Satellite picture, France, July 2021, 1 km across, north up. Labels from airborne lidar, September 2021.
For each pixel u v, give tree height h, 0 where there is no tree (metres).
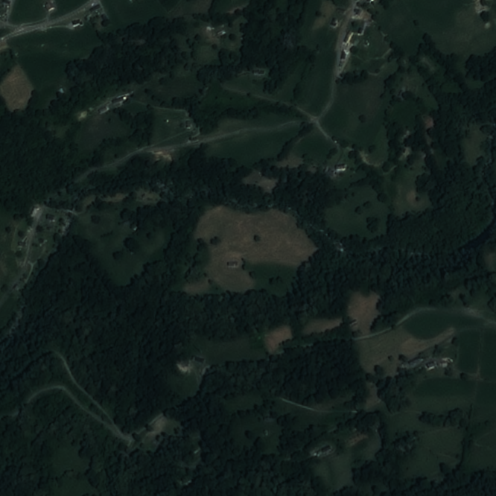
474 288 14
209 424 28
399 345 0
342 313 15
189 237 17
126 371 9
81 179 0
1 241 0
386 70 0
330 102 0
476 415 0
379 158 0
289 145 16
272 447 0
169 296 21
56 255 20
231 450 13
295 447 12
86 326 24
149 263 0
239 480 27
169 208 27
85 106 11
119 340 9
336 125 0
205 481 26
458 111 25
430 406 0
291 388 27
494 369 0
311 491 29
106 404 15
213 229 0
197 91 0
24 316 8
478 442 0
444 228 19
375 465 20
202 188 19
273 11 18
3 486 22
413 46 0
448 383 0
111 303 21
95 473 20
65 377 22
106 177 11
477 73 17
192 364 0
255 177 0
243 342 0
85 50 0
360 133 0
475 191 9
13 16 0
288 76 19
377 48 0
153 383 28
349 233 0
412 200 0
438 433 0
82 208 9
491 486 24
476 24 0
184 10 0
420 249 24
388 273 31
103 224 0
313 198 21
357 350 16
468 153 0
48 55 0
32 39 0
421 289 19
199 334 19
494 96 23
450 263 25
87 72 23
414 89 0
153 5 0
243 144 0
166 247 0
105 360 17
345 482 0
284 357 8
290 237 0
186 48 0
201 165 21
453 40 0
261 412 18
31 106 12
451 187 23
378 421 12
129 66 25
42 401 8
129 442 0
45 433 16
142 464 20
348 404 11
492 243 20
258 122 0
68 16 0
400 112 0
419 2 0
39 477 8
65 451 0
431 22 0
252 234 0
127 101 12
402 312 6
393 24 0
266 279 0
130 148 0
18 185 13
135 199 22
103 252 0
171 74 9
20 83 0
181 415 25
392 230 21
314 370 24
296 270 0
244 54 25
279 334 0
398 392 20
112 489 36
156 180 12
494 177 24
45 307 17
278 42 14
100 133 0
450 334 0
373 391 0
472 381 0
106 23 16
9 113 13
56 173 13
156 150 0
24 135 15
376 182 13
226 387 18
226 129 0
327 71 0
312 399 18
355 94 0
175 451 22
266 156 0
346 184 0
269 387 18
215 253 0
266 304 15
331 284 23
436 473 0
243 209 7
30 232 0
